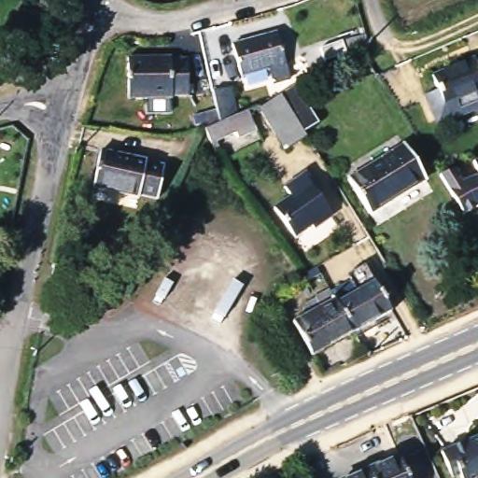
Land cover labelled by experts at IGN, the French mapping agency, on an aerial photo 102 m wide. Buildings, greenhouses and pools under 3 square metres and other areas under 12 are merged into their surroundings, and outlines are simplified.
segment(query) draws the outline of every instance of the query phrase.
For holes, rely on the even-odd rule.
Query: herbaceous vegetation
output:
[[[443,56],[443,50],[428,52],[424,49],[409,54],[409,62],[413,67],[420,67],[433,58]]]
[[[17,194],[0,192],[0,217],[15,207]]]
[[[306,349],[301,334],[293,327],[293,314],[297,306],[295,299],[284,302],[284,323],[284,329],[288,330],[289,336],[295,340],[297,349]]]
[[[75,177],[78,153],[78,144],[67,153],[58,196],[54,200],[54,207],[50,211],[47,209],[43,222],[45,241],[37,248],[41,252],[41,261],[35,276],[35,288],[41,288],[56,271],[56,248],[65,241],[80,239],[77,226],[67,224],[65,217],[67,194]]]
[[[269,364],[258,344],[248,342],[243,334],[241,340],[243,358],[276,390],[280,372],[276,372]]]
[[[131,54],[123,41],[112,39],[99,39],[93,47],[97,56],[103,58],[103,67],[95,80],[93,101],[90,106],[97,110],[95,119],[105,121],[119,119],[142,127],[164,129],[183,127],[190,123],[190,114],[196,114],[205,106],[200,101],[196,101],[196,106],[190,106],[187,99],[177,97],[166,105],[166,110],[162,114],[159,114],[153,108],[153,95],[146,95],[140,101],[129,101],[125,91],[125,65],[131,63]]]
[[[353,0],[308,0],[301,6],[286,11],[288,26],[297,32],[295,49],[316,45],[319,41],[327,41],[329,37],[342,32],[362,28],[360,17],[347,11],[353,6]]]
[[[22,168],[26,136],[17,133],[17,129],[13,127],[0,131],[0,185],[19,189],[17,174]]]
[[[385,49],[377,56],[377,63],[387,73],[394,71],[396,65],[392,54]]]
[[[41,7],[37,0],[0,0],[0,24],[6,26],[7,32],[39,32]]]
[[[34,332],[22,344],[21,368],[13,398],[11,422],[13,439],[17,443],[26,439],[26,428],[35,420],[30,403],[35,368],[60,355],[63,344],[69,338],[50,329],[49,336],[45,336],[43,332]]]
[[[456,308],[448,308],[444,304],[443,295],[437,291],[437,284],[424,280],[424,276],[415,269],[413,280],[424,301],[433,308],[431,316],[426,317],[420,325],[429,330],[478,308],[478,299],[457,304]]]
[[[312,269],[312,263],[325,265],[342,252],[329,237],[319,241],[310,250],[302,250],[301,245],[284,228],[282,220],[274,215],[274,207],[280,207],[280,202],[288,194],[282,189],[282,179],[274,181],[274,177],[267,174],[260,177],[260,181],[254,187],[248,189],[261,209],[267,213],[267,217],[273,220],[276,228],[286,237],[291,250],[301,260],[302,267],[297,271],[299,278],[304,280],[304,276]]]
[[[148,215],[151,213],[166,218],[170,215],[168,204],[161,198],[157,202],[142,205],[148,209]]]
[[[95,207],[95,222],[99,230],[105,233],[114,232],[123,226],[123,217],[127,215],[125,207],[101,202]]]
[[[295,261],[276,246],[273,237],[267,235],[250,213],[243,217],[237,211],[226,207],[218,211],[209,224],[205,224],[205,232],[224,233],[230,237],[237,237],[245,245],[252,246],[263,273],[263,284],[267,286],[269,282],[276,282],[284,274],[295,271]]]
[[[21,295],[24,284],[24,271],[19,269],[7,269],[0,273],[0,310],[7,314],[15,308],[15,299]]]
[[[148,358],[166,358],[170,355],[168,345],[146,338],[140,340],[140,345]]]
[[[330,157],[347,155],[353,161],[379,148],[392,136],[400,138],[407,138],[407,142],[422,157],[422,162],[428,170],[429,183],[431,192],[428,196],[405,207],[398,215],[388,218],[385,222],[377,222],[383,228],[383,232],[390,233],[390,239],[385,239],[383,245],[387,246],[388,250],[398,252],[405,265],[413,263],[416,258],[416,243],[422,243],[431,235],[431,218],[437,211],[437,204],[443,202],[446,202],[446,209],[450,209],[456,215],[457,239],[465,243],[478,243],[478,211],[461,211],[457,207],[456,202],[444,189],[439,172],[435,172],[435,157],[443,146],[433,134],[428,134],[429,121],[418,103],[401,105],[396,91],[392,90],[388,82],[387,73],[375,73],[372,69],[370,77],[357,80],[353,90],[340,88],[340,93],[327,103],[327,110],[316,110],[319,119],[329,119],[329,127],[334,127],[338,131],[338,140],[330,148]]]

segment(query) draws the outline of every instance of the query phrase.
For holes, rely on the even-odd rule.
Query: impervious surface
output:
[[[133,478],[252,478],[256,472],[267,467],[280,467],[284,459],[291,454],[301,457],[302,463],[312,472],[312,478],[344,478],[349,476],[349,471],[355,463],[383,450],[394,452],[396,467],[400,467],[401,471],[405,467],[411,467],[413,478],[448,478],[441,452],[446,452],[446,444],[450,441],[467,433],[472,428],[474,420],[478,418],[478,308],[429,330],[426,334],[413,336],[401,317],[398,306],[394,306],[392,310],[375,314],[372,319],[349,330],[358,334],[364,332],[368,338],[375,340],[375,353],[372,357],[353,364],[351,368],[327,375],[319,373],[317,364],[310,370],[310,381],[299,392],[288,396],[276,390],[243,358],[241,340],[230,349],[226,349],[222,345],[213,344],[202,334],[183,327],[179,321],[172,321],[172,325],[164,325],[162,321],[151,319],[140,312],[118,321],[106,321],[103,317],[101,321],[90,325],[90,329],[69,338],[63,344],[60,355],[35,368],[30,403],[35,420],[26,428],[26,439],[32,443],[32,456],[19,467],[24,478],[101,478],[101,474],[108,476],[112,472],[123,471],[129,463],[133,463],[134,457],[153,452],[153,448],[161,446],[162,441],[179,437],[183,431],[198,426],[207,416],[220,413],[224,407],[230,407],[233,401],[239,400],[241,390],[246,385],[254,390],[256,398],[260,400],[258,411],[237,418],[235,422],[217,429],[200,443],[192,444],[183,452],[164,459]],[[146,338],[168,345],[170,355],[166,358],[148,358],[140,345],[140,340]],[[422,437],[428,437],[428,428],[416,426],[411,413],[456,392],[469,396],[471,400],[461,409],[448,409],[443,416],[429,418],[435,424],[435,428],[439,429],[439,433],[435,435],[435,443],[429,439],[424,443],[418,441]]]
[[[125,207],[136,207],[140,194],[127,194],[121,198],[118,190],[106,187],[105,183],[95,183],[97,200],[101,202]]]
[[[347,222],[340,211],[332,213],[321,224],[308,226],[304,232],[299,233],[293,228],[289,215],[280,207],[274,207],[274,215],[282,220],[284,228],[301,245],[302,250],[310,250],[319,241],[329,237],[336,228],[342,228]]]
[[[349,187],[357,194],[364,211],[377,222],[385,222],[388,218],[398,215],[405,207],[428,196],[431,192],[429,183],[415,183],[413,187],[403,190],[401,194],[375,209],[368,200],[366,190],[353,179],[364,164],[372,162],[377,155],[390,151],[396,144],[400,144],[400,138],[392,136],[379,148],[353,161],[347,170],[347,179],[347,181]]]
[[[426,97],[429,108],[433,110],[433,116],[437,119],[443,116],[446,119],[454,119],[465,133],[471,131],[474,121],[478,121],[478,99],[472,103],[463,103],[463,97],[448,99],[443,90],[435,88],[426,93]]]
[[[280,24],[288,26],[286,11],[301,6],[308,0],[209,0],[204,4],[196,4],[177,11],[153,11],[149,7],[134,6],[125,0],[80,0],[84,6],[84,17],[80,21],[82,28],[78,30],[77,41],[78,52],[82,56],[69,63],[63,75],[50,78],[39,90],[30,91],[22,86],[0,82],[0,131],[13,127],[17,129],[17,133],[26,136],[22,168],[17,174],[19,189],[0,185],[0,192],[17,194],[15,207],[0,217],[0,228],[9,237],[6,256],[13,260],[21,260],[19,269],[24,271],[24,284],[21,295],[15,299],[15,308],[7,314],[0,310],[0,478],[6,478],[7,454],[17,443],[13,439],[11,422],[13,398],[21,368],[22,344],[34,332],[43,332],[45,336],[49,336],[50,329],[49,314],[41,312],[39,308],[41,288],[35,288],[35,276],[41,261],[41,252],[37,248],[45,241],[43,222],[47,209],[50,211],[54,207],[54,200],[58,196],[67,153],[78,144],[82,142],[82,129],[86,125],[82,123],[82,116],[90,106],[93,101],[95,80],[103,67],[103,58],[97,56],[93,47],[99,39],[112,39],[114,35],[123,32],[174,32],[176,39],[168,47],[200,49],[202,52],[204,69],[198,73],[202,84],[198,91],[200,101],[205,106],[213,105],[217,123],[226,119],[220,112],[215,86],[228,80],[243,82],[243,88],[252,99],[258,99],[274,91],[288,90],[293,86],[312,63],[316,62],[321,71],[330,65],[334,67],[336,50],[345,50],[358,39],[362,39],[362,28],[342,32],[329,37],[327,41],[319,41],[316,45],[295,49],[295,63],[288,63],[288,73],[291,77],[286,80],[274,80],[267,75],[267,71],[256,71],[246,75],[243,58],[237,52],[237,41],[241,35]]]

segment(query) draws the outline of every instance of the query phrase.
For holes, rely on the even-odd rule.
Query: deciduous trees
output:
[[[329,127],[329,119],[319,119],[317,127],[306,131],[302,144],[314,148],[317,155],[327,164],[330,157],[330,148],[338,140],[338,131],[334,127]]]
[[[30,91],[39,90],[50,78],[63,75],[69,63],[82,56],[78,52],[77,41],[78,30],[82,28],[80,21],[84,17],[84,6],[80,0],[37,0],[41,7],[39,32],[7,32],[6,26],[0,24],[0,82],[22,86]]]
[[[330,65],[321,71],[316,62],[312,63],[293,86],[302,101],[316,110],[327,110],[327,103],[340,93],[340,88],[353,90],[357,80],[370,77],[372,69],[375,73],[387,73],[377,63],[377,56],[385,49],[377,39],[370,43],[362,39],[358,39],[345,50],[336,50],[334,67]]]
[[[302,463],[301,457],[291,454],[284,459],[280,467],[267,467],[256,472],[252,478],[312,478],[312,472]]]
[[[127,215],[123,217],[123,226],[114,232],[105,233],[99,230],[95,222],[95,207],[101,202],[97,200],[95,183],[93,179],[88,174],[82,174],[84,155],[78,153],[75,177],[67,194],[65,217],[67,224],[77,226],[80,239],[65,241],[56,248],[56,271],[41,288],[39,308],[41,312],[49,314],[50,329],[69,338],[90,329],[90,325],[101,321],[103,317],[108,310],[114,310],[123,304],[125,295],[138,293],[138,289],[153,282],[162,267],[162,261],[185,260],[189,246],[176,246],[176,226],[166,218],[151,213],[148,215],[148,209],[142,205],[136,207],[125,207]]]
[[[248,189],[254,187],[260,181],[260,177],[267,174],[274,177],[274,181],[282,179],[286,174],[286,168],[278,166],[271,153],[263,149],[254,153],[252,157],[237,159],[241,164],[241,172],[237,172],[235,176],[239,177],[239,181]]]
[[[457,304],[478,299],[478,243],[465,243],[457,239],[456,215],[450,209],[446,209],[446,202],[443,202],[437,204],[437,211],[431,218],[431,235],[422,243],[416,243],[416,258],[413,263],[415,269],[424,276],[424,280],[437,284],[437,291],[443,295],[444,304],[448,308],[456,308]]]
[[[19,269],[21,260],[13,260],[6,256],[9,237],[0,228],[0,273],[7,269]]]
[[[288,330],[284,329],[284,323],[267,321],[269,332],[260,334],[258,344],[269,364],[276,372],[280,372],[276,390],[288,396],[299,392],[310,381],[310,370],[310,355],[306,349],[297,349],[295,340],[289,336]]]

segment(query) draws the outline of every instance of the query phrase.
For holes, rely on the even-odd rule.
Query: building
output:
[[[306,349],[310,355],[319,355],[327,355],[327,349],[334,340],[349,340],[353,345],[358,342],[358,334],[349,330],[372,319],[375,314],[392,310],[394,306],[390,302],[387,288],[381,286],[381,282],[373,274],[362,282],[357,278],[347,278],[342,282],[334,282],[325,265],[312,263],[312,269],[304,276],[304,280],[308,282],[310,289],[302,289],[295,299],[297,306],[293,314],[293,327],[301,334]]]
[[[190,106],[196,106],[196,101],[200,101],[198,91],[202,84],[198,73],[204,69],[202,52],[200,49],[168,47],[138,47],[131,54],[131,63],[125,65],[125,91],[129,101],[140,101],[146,95],[153,95],[153,108],[159,114],[162,114],[166,110],[166,105],[177,97],[187,99]]]
[[[190,114],[190,123],[194,125],[198,125],[196,129],[200,142],[209,140],[213,146],[217,146],[220,140],[226,140],[232,133],[243,134],[245,131],[252,131],[256,123],[250,114],[260,112],[267,133],[276,136],[278,144],[284,142],[286,146],[293,148],[302,144],[306,131],[317,127],[319,119],[316,110],[302,101],[293,86],[288,90],[274,91],[258,99],[252,99],[243,88],[243,82],[228,80],[215,86],[220,112],[226,119],[217,123],[213,105],[205,106],[196,114]]]
[[[448,478],[478,478],[478,418],[474,420],[472,428],[467,433],[450,441],[446,444],[446,452],[441,452]]]
[[[95,166],[93,179],[95,183],[105,183],[106,187],[118,190],[121,198],[127,194],[140,194],[136,207],[142,205],[157,202],[161,198],[164,179],[172,181],[181,166],[181,159],[177,157],[172,157],[161,149],[144,148],[140,144],[140,138],[112,140],[103,148],[103,164]]]
[[[291,77],[288,73],[288,63],[295,63],[295,49],[297,32],[288,26],[280,24],[241,35],[237,41],[237,52],[243,58],[246,75],[256,71],[267,71],[267,75],[274,80],[286,80]]]
[[[396,467],[394,452],[383,450],[355,463],[349,471],[349,476],[344,478],[413,478],[411,467],[405,467],[401,471],[400,467]]]
[[[457,207],[461,211],[478,211],[478,161],[474,159],[471,164],[457,159],[450,170],[439,172],[444,189],[456,202]]]
[[[429,183],[428,170],[422,162],[422,157],[407,142],[407,138],[400,138],[400,144],[396,144],[390,151],[377,155],[372,162],[364,164],[353,179],[366,190],[368,200],[375,209],[401,194],[403,190],[413,187],[415,183]]]
[[[291,194],[288,194],[280,202],[280,207],[289,215],[293,228],[299,233],[304,232],[308,226],[321,224],[332,213],[340,211],[342,205],[342,185],[347,181],[347,179],[336,179],[323,170],[319,170],[314,162],[306,166],[291,179]]]
[[[478,99],[478,50],[465,52],[446,63],[431,67],[429,71],[435,75],[435,88],[443,90],[448,99],[463,97],[463,103],[472,103]]]

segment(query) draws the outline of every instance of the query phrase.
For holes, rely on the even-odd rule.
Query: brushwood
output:
[[[435,443],[435,435],[439,433],[439,429],[435,428],[435,424],[429,418],[443,416],[448,409],[461,409],[471,400],[469,396],[456,392],[411,413],[416,426],[428,428],[428,437],[422,437],[418,441],[424,443],[429,439]]]
[[[347,222],[342,228],[336,228],[329,237],[342,252],[353,245],[353,228]]]
[[[174,32],[123,32],[114,35],[112,39],[123,41],[131,54],[138,47],[168,47],[176,39]]]
[[[32,443],[26,439],[17,443],[7,454],[6,478],[24,478],[19,467],[32,456]]]
[[[347,179],[347,170],[353,161],[347,155],[330,157],[327,164],[323,170],[336,179]]]
[[[235,422],[237,418],[258,411],[260,400],[256,398],[254,390],[246,385],[241,390],[239,400],[233,401],[230,407],[224,407],[220,413],[207,416],[198,426],[183,431],[179,437],[162,441],[161,446],[153,448],[153,452],[134,457],[133,463],[129,463],[123,471],[112,472],[108,476],[101,474],[101,478],[133,478],[164,459],[183,452],[192,444],[200,443],[217,429]]]
[[[176,226],[176,246],[189,246],[196,233],[205,232],[205,224],[209,224],[218,211],[226,207],[237,211],[243,217],[250,213],[267,235],[273,237],[276,246],[295,261],[295,271],[284,274],[276,282],[269,282],[267,286],[267,291],[256,291],[256,306],[248,319],[243,321],[243,334],[248,342],[258,344],[260,334],[269,332],[267,321],[284,323],[284,302],[295,299],[302,289],[310,289],[308,282],[304,280],[299,278],[297,271],[302,267],[301,260],[291,250],[286,237],[276,228],[273,220],[267,217],[267,213],[261,209],[248,189],[239,181],[239,177],[235,176],[237,172],[241,172],[241,164],[237,159],[252,157],[254,153],[263,149],[267,140],[265,134],[258,134],[258,140],[235,149],[226,140],[220,140],[217,146],[213,146],[209,140],[200,142],[196,148],[183,151],[177,157],[181,159],[181,166],[172,181],[164,179],[161,198],[168,204],[170,215],[166,218]]]
[[[407,284],[405,297],[401,302],[409,304],[411,314],[420,325],[426,317],[431,316],[433,308],[424,301],[413,280]]]
[[[433,134],[443,146],[435,157],[435,172],[439,172],[450,170],[457,159],[471,164],[474,159],[478,161],[478,121],[474,121],[471,131],[465,133],[454,119],[446,119],[443,116],[437,119],[429,121],[428,134]]]
[[[418,21],[405,21],[394,0],[379,0],[379,6],[383,9],[390,30],[398,37],[405,32],[431,34],[478,11],[478,0],[467,0],[463,4],[450,2],[437,11],[429,11],[426,17]]]
[[[153,11],[177,11],[196,4],[204,4],[209,0],[125,0],[134,6],[149,7]]]
[[[105,121],[95,119],[97,110],[90,106],[82,116],[82,123],[86,125],[99,131],[116,127],[125,131],[140,131],[170,138],[176,138],[177,134],[190,133],[194,125],[190,123],[183,127],[164,129],[142,127],[119,119]]]
[[[364,9],[364,0],[353,0],[353,6],[347,11],[360,17],[362,28],[362,39],[370,43],[377,39],[373,35]]]
[[[351,368],[353,364],[372,357],[375,353],[375,340],[368,338],[364,332],[358,334],[358,342],[353,345],[351,355],[336,362],[327,360],[321,364],[319,355],[310,355],[310,370],[317,364],[319,373],[327,375]]]
[[[401,269],[405,265],[398,252],[388,250],[387,246],[383,245],[385,239],[390,239],[390,233],[383,232],[383,228],[377,222],[364,211],[357,194],[349,187],[347,181],[342,185],[342,205],[353,207],[355,215],[360,218],[360,222],[370,235],[373,246],[385,256],[383,267]]]

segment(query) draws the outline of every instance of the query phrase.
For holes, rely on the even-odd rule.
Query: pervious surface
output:
[[[390,302],[394,306],[398,306],[401,317],[413,336],[426,334],[429,330],[420,325],[411,314],[409,304],[401,302],[405,297],[407,284],[413,280],[415,269],[413,263],[405,265],[401,269],[383,267],[385,256],[373,246],[370,235],[360,222],[360,218],[355,215],[353,207],[342,205],[340,211],[347,222],[353,228],[353,245],[342,252],[325,265],[334,282],[342,282],[347,278],[357,278],[362,282],[373,274],[381,282],[381,286],[387,288]]]
[[[189,246],[185,260],[162,261],[162,267],[153,282],[138,289],[138,293],[125,295],[123,304],[114,310],[108,310],[103,317],[106,321],[118,321],[140,312],[151,319],[162,321],[164,325],[172,325],[172,321],[179,321],[183,327],[202,334],[213,344],[222,345],[226,349],[230,349],[241,340],[243,334],[243,321],[248,319],[256,306],[256,291],[267,291],[267,286],[263,284],[263,273],[252,246],[245,245],[237,237],[230,237],[224,233],[205,232],[196,233]]]
[[[435,75],[429,71],[431,67],[446,63],[465,52],[478,50],[478,11],[431,34],[405,32],[398,37],[390,30],[383,9],[379,6],[379,0],[364,0],[364,9],[373,35],[377,39],[385,49],[392,54],[396,65],[394,71],[387,73],[388,82],[392,90],[396,91],[401,105],[418,103],[429,121],[437,119],[433,116],[433,110],[429,108],[426,97],[426,93],[435,88]],[[420,67],[413,67],[409,62],[409,54],[424,49],[428,52],[443,50],[443,56],[433,58]]]
[[[323,170],[327,164],[317,155],[314,148],[302,144],[293,148],[286,146],[284,142],[278,144],[276,136],[267,133],[260,112],[250,114],[256,123],[252,131],[245,131],[243,134],[232,133],[226,140],[235,149],[258,140],[258,134],[265,134],[267,140],[263,149],[271,153],[278,166],[286,168],[286,174],[282,179],[282,189],[288,194],[291,194],[291,179],[306,166],[314,162],[319,170]]]
[[[190,133],[177,134],[176,138],[170,138],[140,131],[125,131],[116,127],[99,131],[86,125],[82,129],[82,142],[78,144],[78,153],[84,155],[82,174],[88,174],[93,179],[95,166],[103,164],[103,148],[112,140],[140,138],[140,144],[144,148],[161,149],[172,157],[177,157],[183,151],[196,148],[200,142],[196,129],[198,125],[194,125]]]
[[[336,362],[351,355],[353,345],[349,340],[334,340],[327,349],[327,355],[319,355],[321,364],[327,360]]]

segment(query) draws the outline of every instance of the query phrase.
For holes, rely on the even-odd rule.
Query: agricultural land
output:
[[[467,0],[394,0],[405,21],[418,21],[426,17],[429,11],[437,11],[450,2],[463,4]]]

